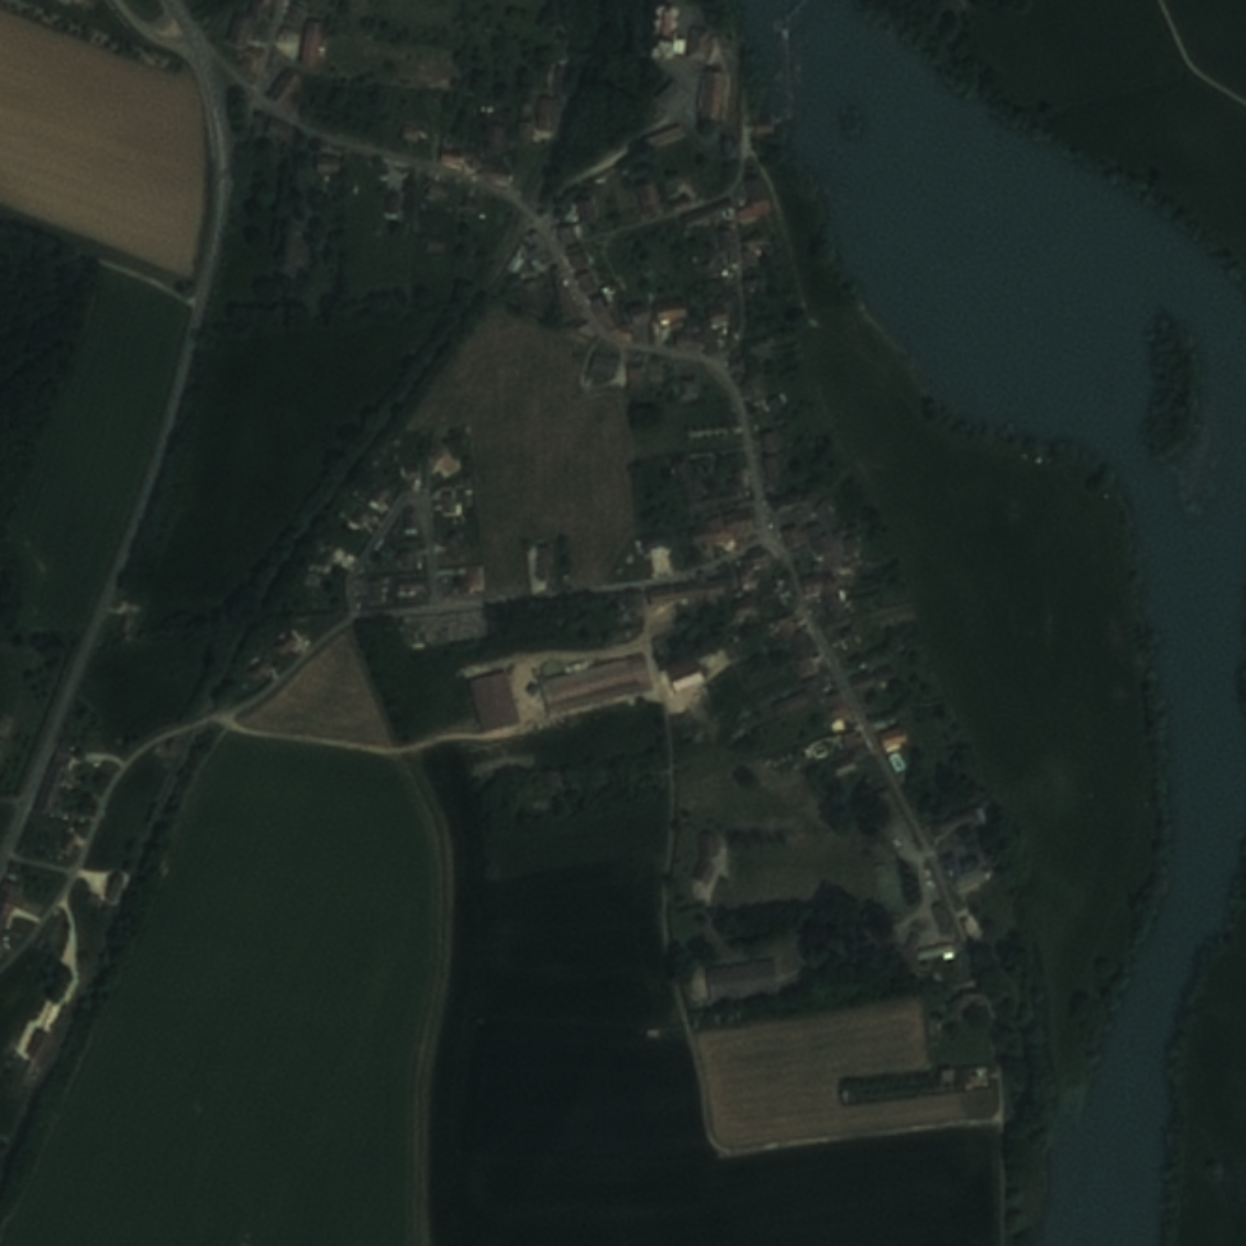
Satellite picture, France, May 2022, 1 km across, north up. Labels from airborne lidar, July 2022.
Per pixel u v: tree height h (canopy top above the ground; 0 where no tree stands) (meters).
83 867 0
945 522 0
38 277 30
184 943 0
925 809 11
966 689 0
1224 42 0
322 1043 0
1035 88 0
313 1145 0
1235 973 0
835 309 0
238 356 0
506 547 0
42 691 6
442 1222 0
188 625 11
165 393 0
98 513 0
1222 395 0
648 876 0
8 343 30
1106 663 0
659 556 0
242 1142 0
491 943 0
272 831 0
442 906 0
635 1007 0
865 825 19
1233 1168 0
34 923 0
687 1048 0
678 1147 0
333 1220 0
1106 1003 9
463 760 0
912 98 0
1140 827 0
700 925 9
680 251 9
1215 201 0
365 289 0
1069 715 0
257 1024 0
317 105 7
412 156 0
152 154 0
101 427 0
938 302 0
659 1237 0
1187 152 0
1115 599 0
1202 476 0
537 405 0
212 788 0
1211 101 0
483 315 20
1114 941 0
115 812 0
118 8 0
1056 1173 0
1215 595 0
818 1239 0
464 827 0
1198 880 0
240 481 0
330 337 0
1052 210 0
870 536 6
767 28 0
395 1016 0
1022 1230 9
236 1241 0
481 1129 0
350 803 0
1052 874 0
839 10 0
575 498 0
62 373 26
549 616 11
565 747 0
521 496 0
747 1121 0
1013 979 21
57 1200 0
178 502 16
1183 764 0
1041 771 0
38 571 0
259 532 0
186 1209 0
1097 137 0
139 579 14
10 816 0
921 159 0
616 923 0
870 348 0
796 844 0
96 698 0
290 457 0
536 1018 0
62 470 0
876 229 0
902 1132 0
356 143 0
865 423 0
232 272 0
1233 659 0
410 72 0
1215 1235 0
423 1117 0
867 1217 0
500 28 8
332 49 0
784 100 0
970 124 0
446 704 0
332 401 0
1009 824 22
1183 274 0
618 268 0
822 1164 0
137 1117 0
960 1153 0
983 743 0
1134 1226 0
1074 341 0
